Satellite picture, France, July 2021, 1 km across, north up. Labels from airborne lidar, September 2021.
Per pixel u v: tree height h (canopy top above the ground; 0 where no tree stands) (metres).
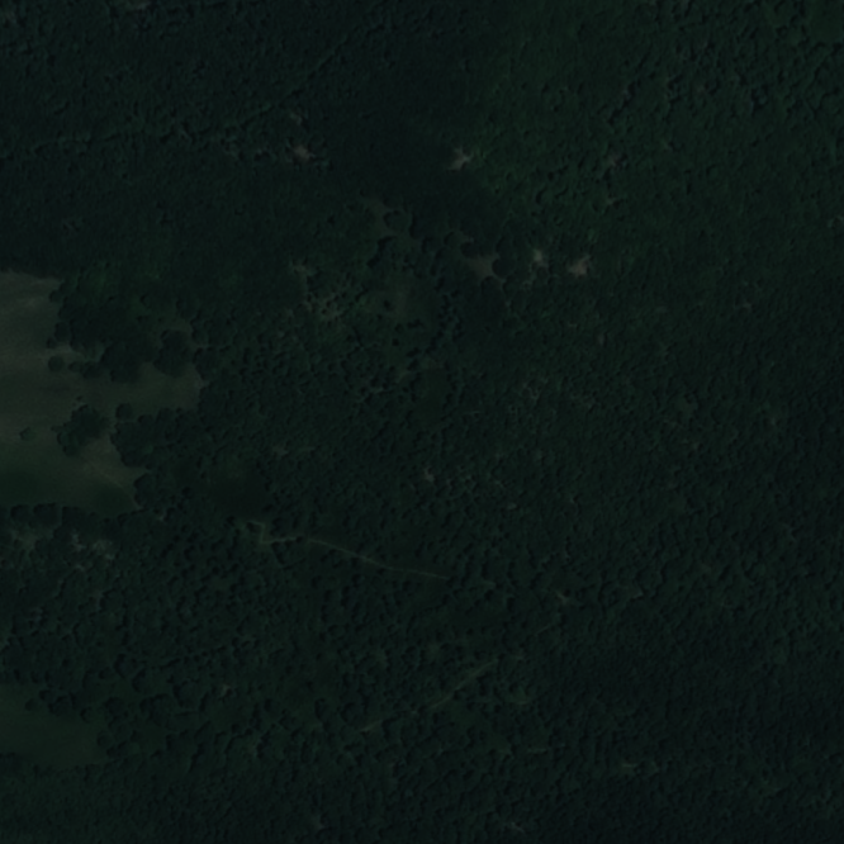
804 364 20
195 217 24
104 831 8
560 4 18
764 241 25
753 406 18
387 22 24
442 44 20
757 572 31
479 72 17
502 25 20
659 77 31
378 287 27
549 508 22
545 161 26
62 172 25
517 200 21
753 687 9
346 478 22
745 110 34
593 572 26
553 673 14
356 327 24
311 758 32
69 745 0
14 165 23
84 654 23
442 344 23
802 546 15
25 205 24
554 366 21
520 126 24
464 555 9
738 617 29
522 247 15
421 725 23
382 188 24
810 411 13
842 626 27
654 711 22
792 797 27
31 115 27
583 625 22
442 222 19
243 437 17
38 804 9
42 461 0
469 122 19
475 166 11
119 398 0
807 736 19
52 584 20
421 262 26
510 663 27
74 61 23
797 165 31
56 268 15
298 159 23
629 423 20
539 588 28
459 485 20
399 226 23
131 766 23
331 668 6
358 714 35
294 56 22
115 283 18
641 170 31
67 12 29
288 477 20
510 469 20
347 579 6
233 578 30
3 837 12
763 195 26
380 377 26
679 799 22
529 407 19
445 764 32
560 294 15
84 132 27
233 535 28
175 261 26
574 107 30
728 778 9
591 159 31
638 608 28
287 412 17
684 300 13
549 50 22
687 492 23
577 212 25
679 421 15
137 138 26
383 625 28
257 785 16
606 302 21
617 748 23
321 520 21
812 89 30
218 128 22
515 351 22
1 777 16
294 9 24
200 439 20
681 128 28
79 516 24
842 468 23
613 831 17
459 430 18
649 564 28
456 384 20
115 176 26
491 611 27
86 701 23
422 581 6
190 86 25
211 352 20
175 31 26
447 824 29
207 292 19
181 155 28
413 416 21
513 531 24
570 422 19
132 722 18
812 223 19
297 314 12
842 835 20
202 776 27
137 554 19
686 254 16
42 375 0
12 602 22
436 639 6
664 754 25
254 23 25
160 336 5
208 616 25
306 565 29
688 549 29
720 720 17
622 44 25
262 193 25
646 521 12
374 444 18
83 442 18
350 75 20
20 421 0
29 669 27
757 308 19
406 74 19
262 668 28
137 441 21
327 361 21
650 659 15
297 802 22
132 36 24
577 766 30
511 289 14
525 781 28
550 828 20
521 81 19
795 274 16
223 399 19
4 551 14
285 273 24
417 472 18
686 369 19
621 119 29
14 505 0
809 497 25
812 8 32
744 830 28
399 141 19
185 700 33
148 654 32
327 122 21
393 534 25
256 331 22
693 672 18
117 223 24
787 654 10
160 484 26
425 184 19
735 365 18
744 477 22
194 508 37
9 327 0
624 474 20
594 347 16
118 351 18
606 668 15
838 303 20
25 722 0
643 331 16
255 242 23
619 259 7
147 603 26
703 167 26
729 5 27
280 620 19
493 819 27
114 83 27
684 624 26
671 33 28
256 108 23
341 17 23
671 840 25
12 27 26
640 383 22
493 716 29
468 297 23
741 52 19
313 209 24
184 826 24
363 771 31
